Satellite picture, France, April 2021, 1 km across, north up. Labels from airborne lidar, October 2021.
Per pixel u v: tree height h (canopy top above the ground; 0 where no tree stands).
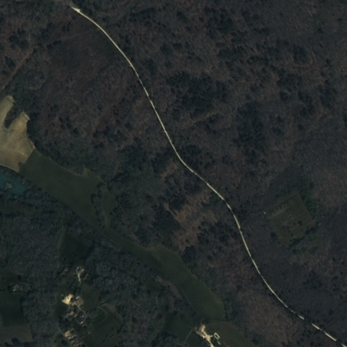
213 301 0
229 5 12
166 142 13
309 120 22
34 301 19
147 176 17
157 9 13
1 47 22
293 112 8
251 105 13
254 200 9
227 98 25
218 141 13
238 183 11
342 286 9
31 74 21
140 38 7
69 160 19
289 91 19
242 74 28
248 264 12
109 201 0
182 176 16
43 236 22
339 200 18
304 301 12
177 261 0
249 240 13
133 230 14
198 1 9
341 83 16
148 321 15
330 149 16
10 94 17
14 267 23
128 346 23
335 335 8
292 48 18
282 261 13
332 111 30
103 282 16
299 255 23
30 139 11
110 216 0
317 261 14
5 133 0
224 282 16
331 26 17
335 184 14
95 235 22
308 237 20
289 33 18
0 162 0
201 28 7
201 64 27
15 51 19
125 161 20
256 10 17
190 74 8
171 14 12
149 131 15
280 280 12
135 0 0
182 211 19
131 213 21
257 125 29
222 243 9
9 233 25
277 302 14
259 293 15
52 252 24
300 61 29
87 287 0
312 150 22
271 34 27
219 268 9
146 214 19
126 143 19
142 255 0
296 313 9
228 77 21
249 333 21
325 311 12
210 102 16
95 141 11
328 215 13
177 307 9
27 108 14
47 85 14
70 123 24
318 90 20
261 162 11
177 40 8
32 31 15
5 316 0
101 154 16
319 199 11
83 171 19
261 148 24
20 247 23
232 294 16
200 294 0
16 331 0
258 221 13
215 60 16
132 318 7
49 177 0
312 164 18
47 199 20
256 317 18
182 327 0
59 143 12
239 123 21
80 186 0
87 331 11
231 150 12
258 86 18
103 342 6
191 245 19
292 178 14
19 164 9
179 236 8
